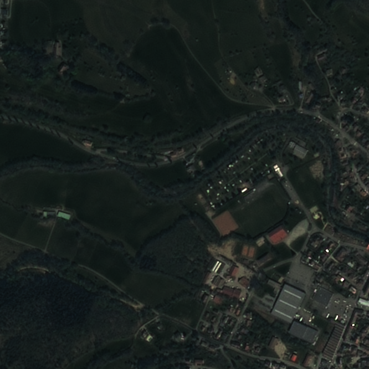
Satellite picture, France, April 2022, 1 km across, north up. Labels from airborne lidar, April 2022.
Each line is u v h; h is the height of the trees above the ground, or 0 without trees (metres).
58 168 19
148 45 0
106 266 0
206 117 0
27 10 0
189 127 0
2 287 32
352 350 0
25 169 22
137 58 0
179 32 0
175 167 0
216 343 0
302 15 0
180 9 0
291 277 0
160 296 0
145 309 11
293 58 0
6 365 18
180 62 0
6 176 19
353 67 9
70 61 14
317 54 0
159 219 0
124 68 20
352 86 10
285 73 0
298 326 0
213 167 25
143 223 0
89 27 0
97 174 0
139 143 14
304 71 23
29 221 0
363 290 0
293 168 0
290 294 0
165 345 0
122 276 0
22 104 19
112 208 0
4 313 26
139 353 0
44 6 0
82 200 0
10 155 0
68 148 0
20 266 14
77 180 0
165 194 20
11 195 0
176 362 7
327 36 7
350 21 0
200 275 18
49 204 0
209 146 0
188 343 7
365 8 24
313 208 0
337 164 16
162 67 0
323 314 0
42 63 26
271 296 0
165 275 16
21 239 0
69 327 20
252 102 0
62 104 14
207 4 0
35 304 20
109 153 17
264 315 0
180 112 0
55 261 25
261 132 24
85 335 20
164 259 22
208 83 0
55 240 0
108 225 0
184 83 0
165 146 18
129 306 21
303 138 11
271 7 0
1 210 0
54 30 0
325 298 0
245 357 0
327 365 0
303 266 0
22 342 16
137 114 0
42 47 11
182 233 18
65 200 0
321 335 0
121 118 0
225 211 0
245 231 0
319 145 18
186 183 15
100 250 0
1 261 0
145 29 0
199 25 0
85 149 0
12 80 0
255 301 0
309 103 6
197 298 14
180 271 20
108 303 23
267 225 0
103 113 0
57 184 0
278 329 20
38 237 0
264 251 0
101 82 0
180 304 0
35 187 0
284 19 26
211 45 0
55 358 23
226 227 0
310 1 0
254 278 8
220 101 0
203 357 0
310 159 0
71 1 0
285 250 0
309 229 0
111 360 16
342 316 0
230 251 0
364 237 15
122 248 21
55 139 0
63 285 32
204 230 17
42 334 16
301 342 10
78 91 22
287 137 0
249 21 0
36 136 0
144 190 26
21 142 0
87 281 17
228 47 0
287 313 0
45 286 29
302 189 0
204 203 0
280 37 0
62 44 0
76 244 0
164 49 0
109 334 24
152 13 0
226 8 0
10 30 0
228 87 0
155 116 0
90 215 0
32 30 0
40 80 27
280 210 0
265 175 9
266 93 0
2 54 12
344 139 0
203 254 10
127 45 13
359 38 0
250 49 0
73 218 0
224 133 8
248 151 0
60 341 21
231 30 0
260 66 0
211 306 0
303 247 0
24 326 15
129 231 0
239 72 0
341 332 0
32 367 20
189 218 15
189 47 0
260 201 0
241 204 0
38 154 0
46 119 20
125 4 0
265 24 14
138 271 22
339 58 10
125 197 0
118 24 0
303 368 0
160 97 0
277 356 0
